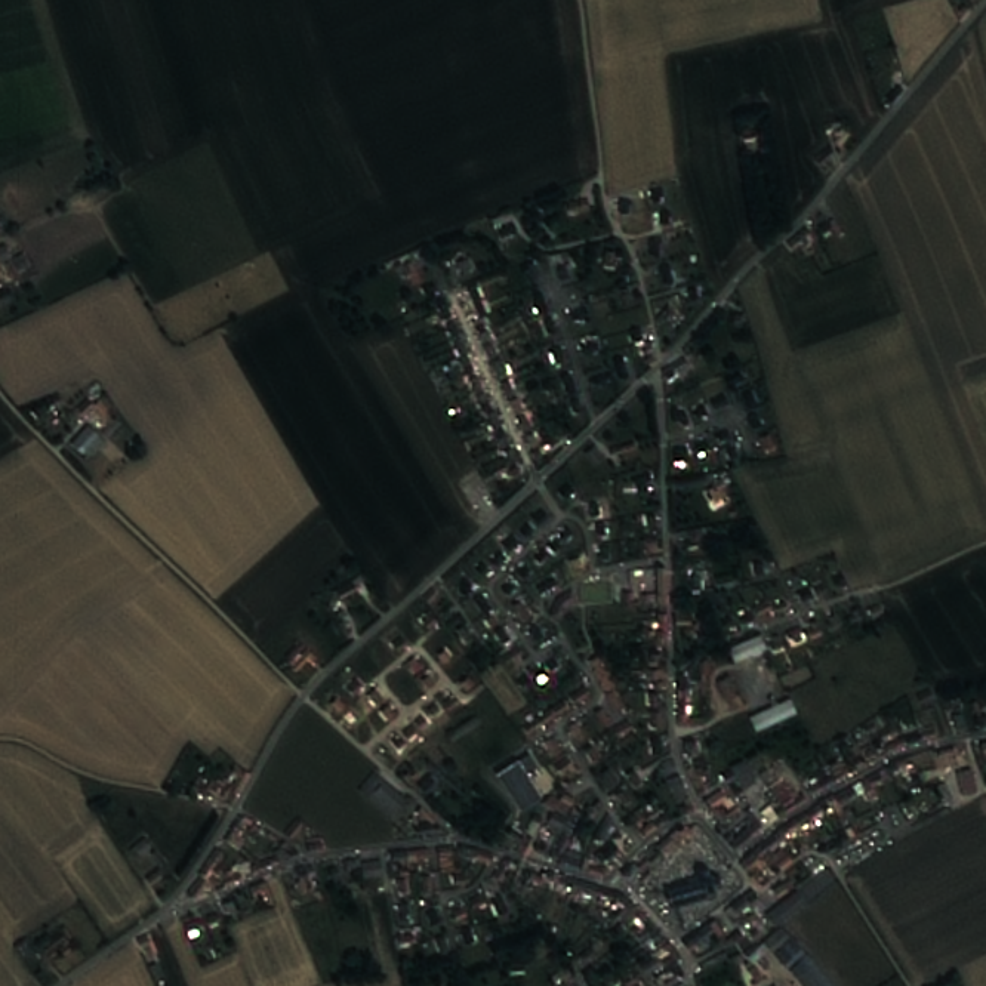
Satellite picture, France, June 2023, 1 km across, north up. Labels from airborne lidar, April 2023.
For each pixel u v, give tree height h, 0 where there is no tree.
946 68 0
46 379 0
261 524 0
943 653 0
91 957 0
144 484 0
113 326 0
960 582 0
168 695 0
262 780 0
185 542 0
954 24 0
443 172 0
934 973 0
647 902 0
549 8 0
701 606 8
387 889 0
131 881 0
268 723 0
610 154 0
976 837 0
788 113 0
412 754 0
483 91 0
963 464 0
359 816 0
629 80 0
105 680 0
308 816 0
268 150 0
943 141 0
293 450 0
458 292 0
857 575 0
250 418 0
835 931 0
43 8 0
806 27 0
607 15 0
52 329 0
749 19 0
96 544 0
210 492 0
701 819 0
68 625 0
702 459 0
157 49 0
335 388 0
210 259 0
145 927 0
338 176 0
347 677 0
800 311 0
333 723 0
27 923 0
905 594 0
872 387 0
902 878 0
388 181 0
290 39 0
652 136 0
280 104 0
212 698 0
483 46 0
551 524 0
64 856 0
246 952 0
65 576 0
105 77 0
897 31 0
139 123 0
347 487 0
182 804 0
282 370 0
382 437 0
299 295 0
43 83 0
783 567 0
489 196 0
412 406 0
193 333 0
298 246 0
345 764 0
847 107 0
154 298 0
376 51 0
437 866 0
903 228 0
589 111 0
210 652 0
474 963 0
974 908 0
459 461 0
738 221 0
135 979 0
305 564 0
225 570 0
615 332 0
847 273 0
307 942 0
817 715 0
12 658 0
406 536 0
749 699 0
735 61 0
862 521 0
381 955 0
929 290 0
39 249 0
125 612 0
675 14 0
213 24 0
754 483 0
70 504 0
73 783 0
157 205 0
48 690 0
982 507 0
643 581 0
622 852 0
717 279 0
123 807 0
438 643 0
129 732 0
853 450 0
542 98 0
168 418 0
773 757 0
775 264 0
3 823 0
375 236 0
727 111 0
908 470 0
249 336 0
